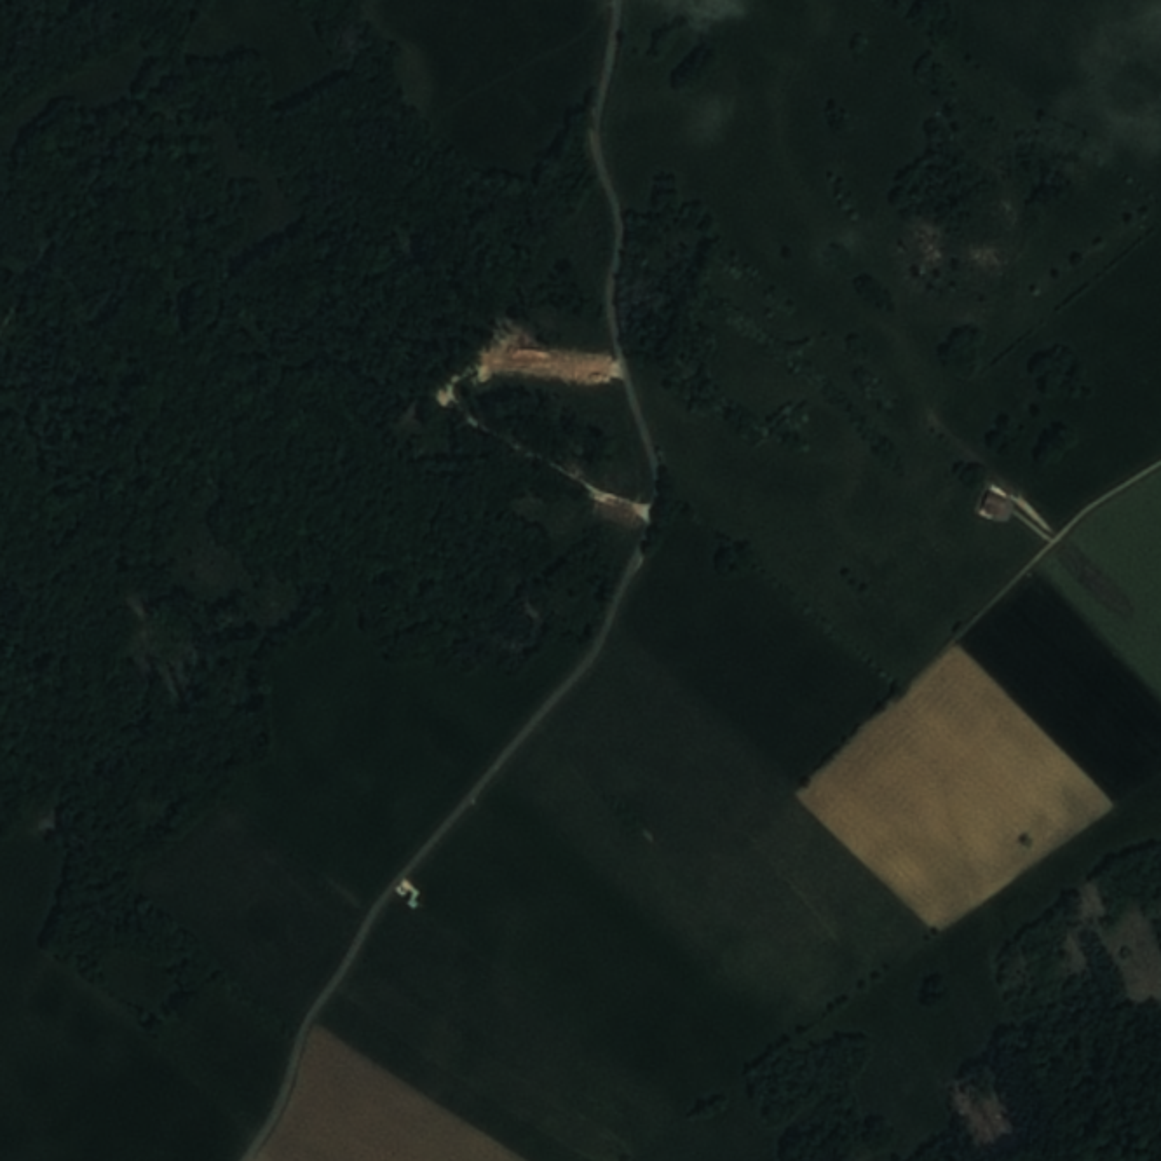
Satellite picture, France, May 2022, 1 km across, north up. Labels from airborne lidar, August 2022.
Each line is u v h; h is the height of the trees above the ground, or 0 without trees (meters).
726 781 0
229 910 0
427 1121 0
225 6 0
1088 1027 19
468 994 0
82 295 11
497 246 29
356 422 25
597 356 0
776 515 0
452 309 20
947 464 0
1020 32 0
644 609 0
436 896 0
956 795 0
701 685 0
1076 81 0
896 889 0
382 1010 0
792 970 0
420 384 19
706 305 9
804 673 0
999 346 0
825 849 0
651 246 12
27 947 0
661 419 0
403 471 19
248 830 0
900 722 0
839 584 0
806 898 0
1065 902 15
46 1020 0
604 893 0
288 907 0
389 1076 0
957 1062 0
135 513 17
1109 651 0
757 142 0
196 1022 0
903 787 0
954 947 0
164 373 15
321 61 0
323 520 22
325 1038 0
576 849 0
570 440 20
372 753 0
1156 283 0
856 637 0
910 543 0
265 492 20
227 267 7
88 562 15
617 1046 0
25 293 14
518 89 0
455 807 0
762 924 0
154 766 19
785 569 0
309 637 15
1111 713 0
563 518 0
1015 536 0
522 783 0
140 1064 0
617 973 0
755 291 0
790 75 0
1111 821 0
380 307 20
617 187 0
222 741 17
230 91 17
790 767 0
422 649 15
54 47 20
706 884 0
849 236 0
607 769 0
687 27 11
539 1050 0
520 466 21
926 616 0
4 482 19
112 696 20
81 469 19
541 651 13
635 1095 0
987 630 0
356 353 18
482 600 20
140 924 18
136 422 16
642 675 0
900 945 0
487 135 0
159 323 25
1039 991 6
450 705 0
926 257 0
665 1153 0
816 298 0
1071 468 0
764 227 0
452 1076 0
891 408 7
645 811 0
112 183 15
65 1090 0
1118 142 0
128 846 14
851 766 0
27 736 19
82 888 15
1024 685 0
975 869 0
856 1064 13
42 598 19
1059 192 18
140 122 15
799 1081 17
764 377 0
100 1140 0
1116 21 0
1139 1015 11
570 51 0
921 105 0
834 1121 7
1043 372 14
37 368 14
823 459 0
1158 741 0
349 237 18
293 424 19
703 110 0
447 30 0
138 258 19
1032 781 0
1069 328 0
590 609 0
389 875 0
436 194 22
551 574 16
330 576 22
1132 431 0
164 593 22
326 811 0
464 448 19
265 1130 0
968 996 0
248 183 9
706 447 0
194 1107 0
